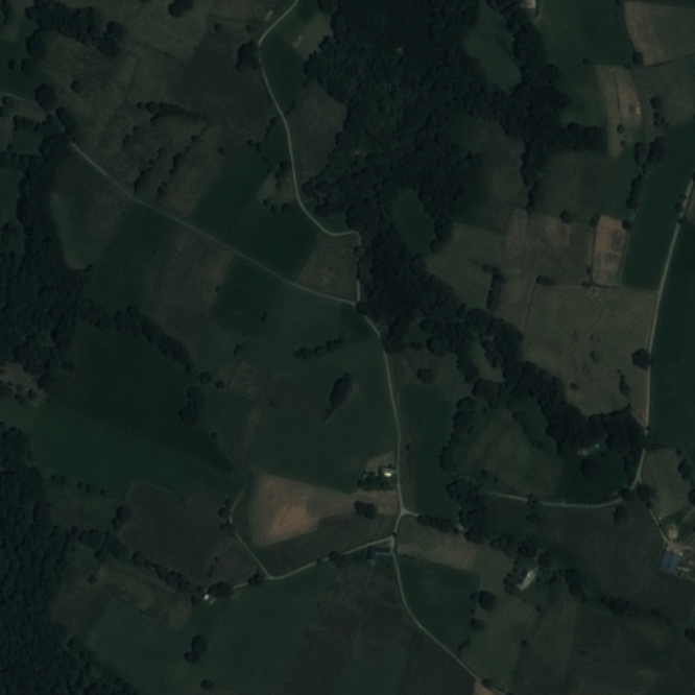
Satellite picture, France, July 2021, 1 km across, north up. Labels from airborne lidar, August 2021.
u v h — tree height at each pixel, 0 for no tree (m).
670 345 0
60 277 34
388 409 0
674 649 0
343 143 19
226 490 0
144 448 0
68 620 0
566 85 0
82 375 0
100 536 19
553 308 0
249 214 0
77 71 0
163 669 0
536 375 25
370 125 14
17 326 23
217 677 0
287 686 0
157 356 0
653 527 0
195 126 0
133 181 0
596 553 0
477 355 0
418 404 0
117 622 0
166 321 0
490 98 34
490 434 0
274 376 0
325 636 0
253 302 0
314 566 0
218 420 0
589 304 0
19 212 8
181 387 0
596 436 27
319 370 0
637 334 0
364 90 25
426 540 0
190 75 0
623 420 24
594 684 0
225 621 0
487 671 0
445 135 28
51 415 0
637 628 0
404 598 0
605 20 0
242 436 0
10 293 29
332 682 0
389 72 36
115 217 0
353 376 8
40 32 11
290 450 0
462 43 14
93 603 0
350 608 0
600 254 0
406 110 23
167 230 0
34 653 21
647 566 0
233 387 0
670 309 0
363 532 0
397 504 0
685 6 0
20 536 20
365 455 0
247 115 0
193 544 0
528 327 0
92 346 0
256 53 18
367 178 19
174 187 0
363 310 18
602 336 0
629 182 0
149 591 0
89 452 0
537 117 30
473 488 14
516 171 0
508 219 0
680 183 0
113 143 0
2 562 23
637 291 0
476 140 0
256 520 0
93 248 0
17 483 23
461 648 9
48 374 10
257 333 0
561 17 0
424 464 0
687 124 0
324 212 19
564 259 0
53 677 20
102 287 0
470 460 0
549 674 0
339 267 0
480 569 0
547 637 0
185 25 0
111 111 0
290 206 14
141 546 0
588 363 0
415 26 13
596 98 0
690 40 0
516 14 30
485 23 0
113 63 0
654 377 0
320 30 0
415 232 0
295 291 0
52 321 23
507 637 0
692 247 0
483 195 0
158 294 0
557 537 0
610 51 0
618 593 0
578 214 0
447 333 22
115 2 0
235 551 0
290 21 0
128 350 0
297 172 0
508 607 0
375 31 12
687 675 0
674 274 0
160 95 0
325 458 0
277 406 6
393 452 0
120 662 0
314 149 0
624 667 0
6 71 0
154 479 0
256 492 0
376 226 19
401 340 21
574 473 0
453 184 26
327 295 0
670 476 0
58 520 0
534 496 8
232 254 0
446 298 20
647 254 0
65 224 0
